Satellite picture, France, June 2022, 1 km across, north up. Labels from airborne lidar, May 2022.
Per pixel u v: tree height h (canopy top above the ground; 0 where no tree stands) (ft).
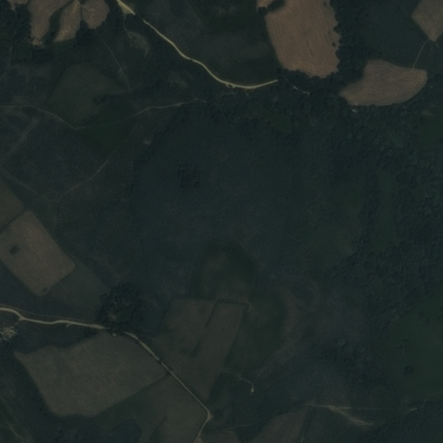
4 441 0
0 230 0
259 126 44
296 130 36
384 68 0
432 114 0
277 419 0
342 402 0
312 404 0
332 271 30
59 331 0
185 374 0
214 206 0
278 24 0
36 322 0
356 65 91
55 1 0
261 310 0
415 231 63
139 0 0
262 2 0
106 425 0
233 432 0
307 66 0
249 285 0
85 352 0
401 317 21
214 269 0
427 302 0
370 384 25
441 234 57
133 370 0
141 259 19
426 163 60
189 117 51
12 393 0
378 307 80
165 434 0
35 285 0
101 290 0
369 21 0
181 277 0
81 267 0
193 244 0
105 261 0
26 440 0
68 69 0
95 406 0
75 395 0
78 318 0
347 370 30
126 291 52
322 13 0
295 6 0
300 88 46
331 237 0
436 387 0
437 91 30
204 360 0
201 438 0
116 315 26
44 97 0
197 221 0
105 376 0
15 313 0
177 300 0
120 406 0
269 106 38
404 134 33
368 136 47
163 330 0
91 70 0
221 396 0
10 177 0
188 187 27
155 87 45
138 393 0
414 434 20
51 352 0
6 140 0
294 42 0
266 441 0
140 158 21
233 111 27
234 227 0
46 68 0
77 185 0
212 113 54
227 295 0
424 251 36
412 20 0
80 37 52
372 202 32
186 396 0
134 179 27
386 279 28
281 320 0
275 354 0
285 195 25
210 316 0
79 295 0
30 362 0
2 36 0
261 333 0
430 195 29
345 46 45
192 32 0
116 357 0
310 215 0
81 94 0
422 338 0
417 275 19
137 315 22
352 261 36
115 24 21
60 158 0
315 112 63
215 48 0
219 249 0
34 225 0
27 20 58
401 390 0
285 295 0
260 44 0
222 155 0
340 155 36
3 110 0
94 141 0
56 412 0
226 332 0
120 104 0
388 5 0
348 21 64
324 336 0
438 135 0
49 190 0
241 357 0
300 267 0
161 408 0
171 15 0
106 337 0
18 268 0
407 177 59
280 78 42
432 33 0
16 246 0
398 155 27
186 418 0
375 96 0
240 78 0
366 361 27
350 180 21
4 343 32
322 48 0
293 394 0
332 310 0
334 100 70
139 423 0
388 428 34
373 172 27
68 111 0
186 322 0
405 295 44
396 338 0
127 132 0
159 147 22
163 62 39
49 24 0
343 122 31
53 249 0
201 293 0
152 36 29
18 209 0
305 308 0
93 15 0
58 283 0
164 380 0
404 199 22
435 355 0
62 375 0
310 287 0
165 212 0
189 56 0
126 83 0
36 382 0
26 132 0
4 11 49
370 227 26
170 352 0
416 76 0
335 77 69
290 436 0
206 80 26
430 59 0
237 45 0
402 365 0
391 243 23
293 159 32
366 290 27
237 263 0
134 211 22
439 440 0
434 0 0
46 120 0
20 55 0
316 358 21
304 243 0
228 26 0
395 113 42
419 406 25
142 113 0
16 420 0
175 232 0
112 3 47
